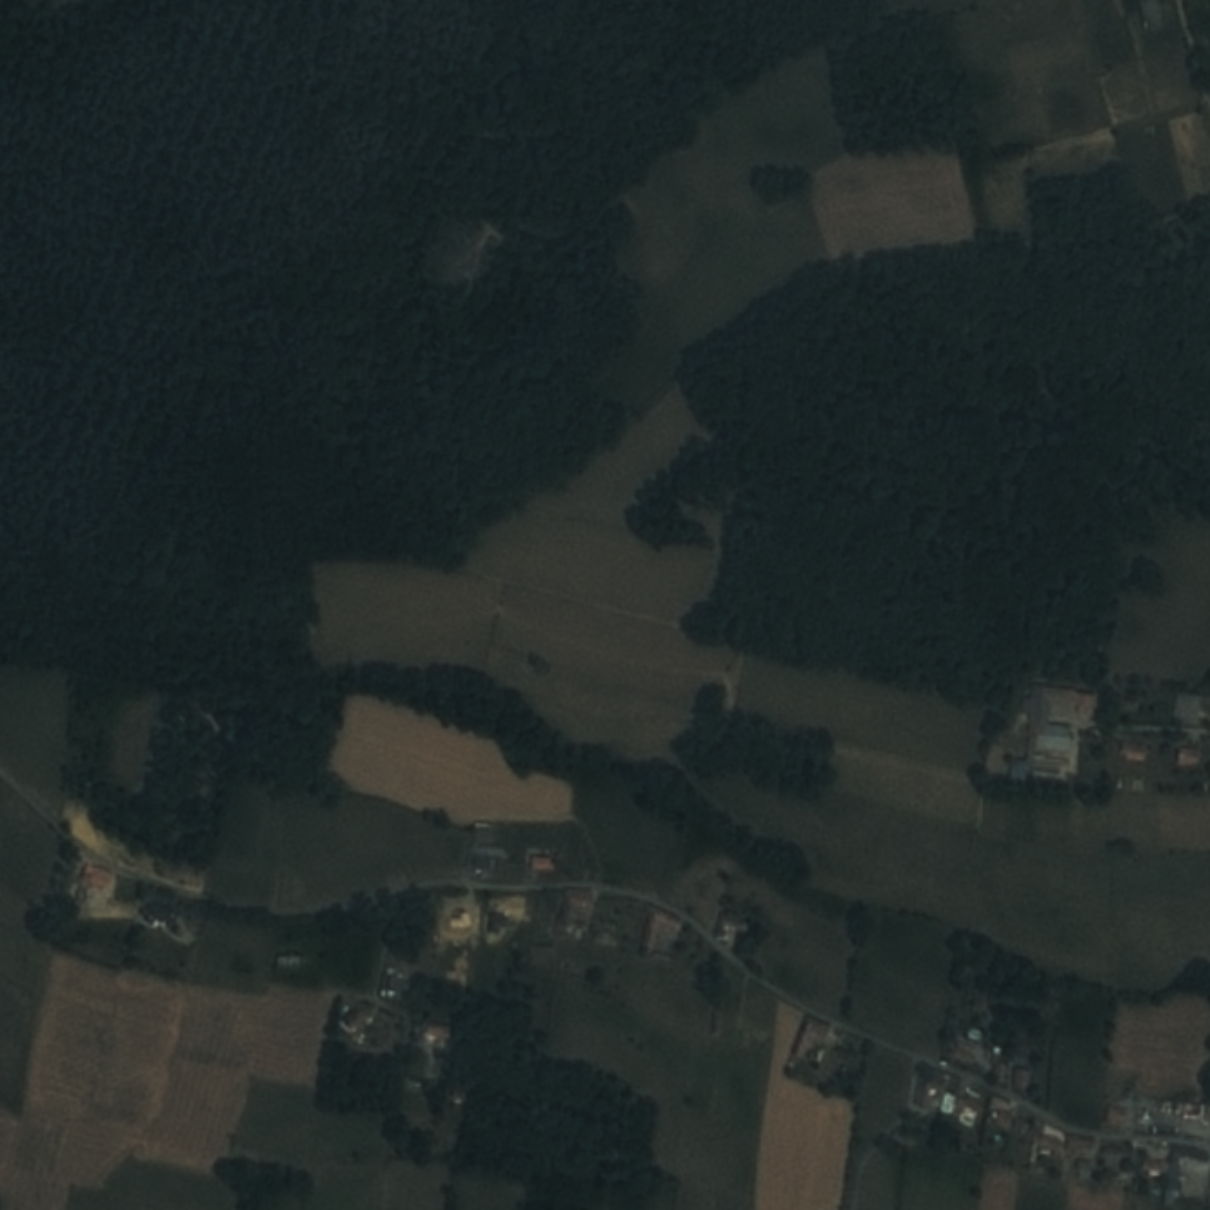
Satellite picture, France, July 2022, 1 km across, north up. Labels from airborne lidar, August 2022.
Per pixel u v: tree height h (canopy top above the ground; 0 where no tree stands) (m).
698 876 0
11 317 26
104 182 30
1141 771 0
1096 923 0
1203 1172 0
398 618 0
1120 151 0
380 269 24
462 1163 10
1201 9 0
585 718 0
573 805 0
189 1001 0
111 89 30
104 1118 0
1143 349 28
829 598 28
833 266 14
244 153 26
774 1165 0
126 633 17
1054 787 19
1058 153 0
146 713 0
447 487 18
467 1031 23
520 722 21
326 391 22
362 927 18
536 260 22
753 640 24
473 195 20
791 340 30
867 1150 0
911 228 0
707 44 23
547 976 0
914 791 0
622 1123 16
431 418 25
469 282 9
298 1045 0
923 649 26
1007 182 0
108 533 27
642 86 21
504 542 0
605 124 16
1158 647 0
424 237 24
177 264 22
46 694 0
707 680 0
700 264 0
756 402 28
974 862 0
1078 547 34
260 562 19
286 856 0
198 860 17
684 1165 0
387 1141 11
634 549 0
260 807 0
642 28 23
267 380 20
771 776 25
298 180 22
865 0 22
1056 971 0
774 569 24
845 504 30
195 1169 0
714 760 24
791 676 0
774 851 24
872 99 7
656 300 0
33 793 0
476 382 27
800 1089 0
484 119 24
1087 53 0
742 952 10
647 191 0
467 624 0
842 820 0
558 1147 25
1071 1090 0
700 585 0
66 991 0
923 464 32
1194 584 0
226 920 9
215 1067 0
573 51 21
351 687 6
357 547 22
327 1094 14
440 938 0
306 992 0
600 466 0
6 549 23
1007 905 0
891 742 0
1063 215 24
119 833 15
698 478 23
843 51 16
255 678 12
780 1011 0
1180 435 31
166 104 25
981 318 27
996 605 27
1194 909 0
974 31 0
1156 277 21
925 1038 0
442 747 0
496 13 26
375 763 0
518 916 0
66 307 23
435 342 11
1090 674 14
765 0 21
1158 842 0
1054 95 0
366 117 23
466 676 16
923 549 32
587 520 0
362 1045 0
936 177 0
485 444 27
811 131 0
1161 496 33
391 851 0
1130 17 0
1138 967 0
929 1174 0
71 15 18
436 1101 11
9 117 24
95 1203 0
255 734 31
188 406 14
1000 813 0
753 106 0
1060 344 25
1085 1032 0
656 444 0
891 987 0
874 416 28
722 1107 0
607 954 0
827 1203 0
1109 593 22
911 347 34
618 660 0
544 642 0
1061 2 0
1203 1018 0
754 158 0
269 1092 0
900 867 0
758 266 0
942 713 0
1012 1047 15
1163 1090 0
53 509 17
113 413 28
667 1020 0
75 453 31
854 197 0
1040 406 33
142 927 7
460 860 0
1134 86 0
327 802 20
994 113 0
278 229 21
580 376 27
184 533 13
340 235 26
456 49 23
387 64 21
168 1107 0
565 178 24
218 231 31
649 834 0
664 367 0
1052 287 24
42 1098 0
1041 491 32
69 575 20
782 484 31
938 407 33
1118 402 32
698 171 0
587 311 28
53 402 29
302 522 23
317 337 26
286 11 30
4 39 19
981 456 34
